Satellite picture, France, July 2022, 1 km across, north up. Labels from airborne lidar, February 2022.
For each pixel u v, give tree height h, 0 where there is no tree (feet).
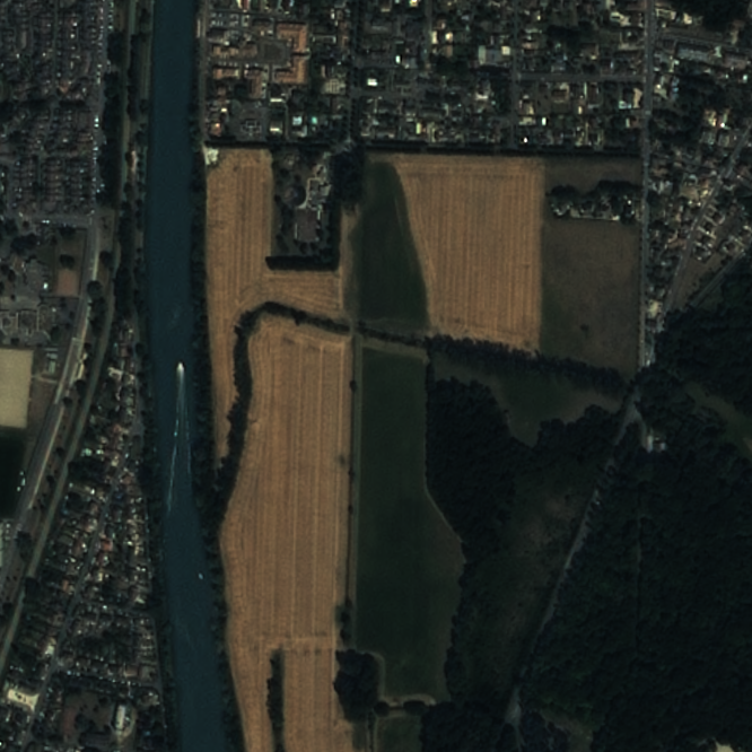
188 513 0
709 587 56
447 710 66
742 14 22
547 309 0
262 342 0
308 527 0
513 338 0
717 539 76
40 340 0
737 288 49
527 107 0
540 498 0
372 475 0
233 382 0
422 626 0
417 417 0
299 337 0
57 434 0
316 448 0
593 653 75
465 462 64
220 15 0
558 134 0
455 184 0
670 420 77
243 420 88
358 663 93
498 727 55
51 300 0
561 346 0
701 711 71
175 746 50
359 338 0
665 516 76
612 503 70
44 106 36
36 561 0
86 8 0
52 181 0
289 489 0
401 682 0
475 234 0
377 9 20
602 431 43
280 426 0
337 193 40
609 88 48
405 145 22
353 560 0
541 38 23
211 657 0
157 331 0
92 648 18
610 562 62
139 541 0
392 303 0
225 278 0
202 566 0
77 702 0
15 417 0
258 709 0
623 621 81
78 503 42
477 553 44
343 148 0
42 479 0
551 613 0
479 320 0
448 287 0
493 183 0
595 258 0
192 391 0
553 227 0
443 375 0
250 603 0
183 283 0
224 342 0
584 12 30
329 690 0
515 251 0
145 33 57
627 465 59
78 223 0
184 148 0
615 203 39
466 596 40
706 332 57
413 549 0
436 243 0
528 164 0
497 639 0
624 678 57
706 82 40
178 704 0
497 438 68
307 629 0
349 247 0
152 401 24
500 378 0
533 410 0
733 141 0
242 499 0
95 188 0
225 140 24
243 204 0
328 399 0
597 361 0
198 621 0
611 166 0
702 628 69
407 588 0
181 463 0
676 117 40
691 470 71
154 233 0
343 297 0
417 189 0
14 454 0
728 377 85
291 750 0
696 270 0
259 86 0
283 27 0
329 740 0
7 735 18
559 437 59
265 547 0
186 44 0
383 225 0
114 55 66
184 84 0
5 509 0
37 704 0
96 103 0
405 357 0
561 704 55
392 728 0
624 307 0
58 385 0
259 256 0
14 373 0
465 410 74
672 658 77
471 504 77
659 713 71
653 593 60
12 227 47
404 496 0
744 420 0
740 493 71
